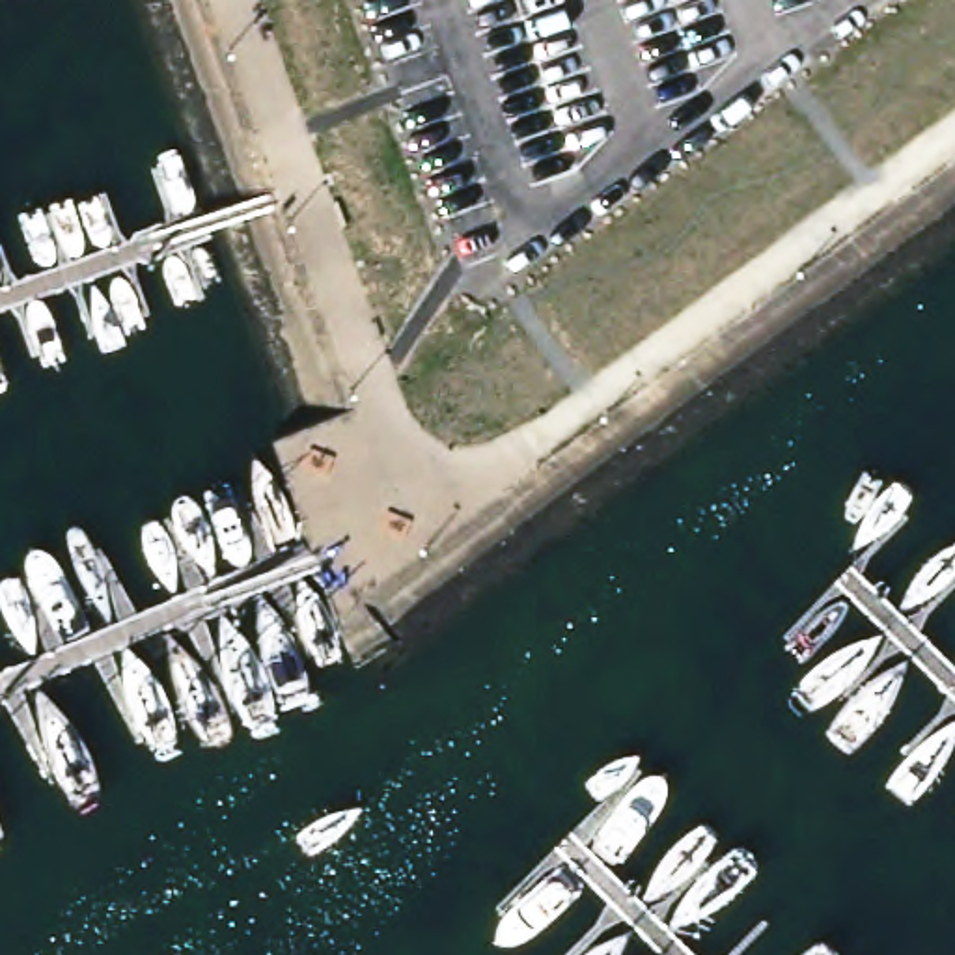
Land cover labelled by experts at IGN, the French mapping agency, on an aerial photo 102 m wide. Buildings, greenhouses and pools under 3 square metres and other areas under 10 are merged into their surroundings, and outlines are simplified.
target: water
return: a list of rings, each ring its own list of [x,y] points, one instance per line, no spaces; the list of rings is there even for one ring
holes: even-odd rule
[[[351,582],[351,567],[336,567],[328,560],[317,567],[313,556],[302,556],[310,541],[310,522],[302,519],[302,504],[276,455],[276,440],[321,425],[325,418],[317,403],[302,399],[295,373],[287,377],[272,366],[265,325],[246,298],[228,242],[228,228],[272,216],[284,205],[284,194],[269,190],[246,201],[239,183],[231,183],[228,190],[213,190],[198,160],[198,145],[179,119],[179,101],[160,67],[164,56],[145,19],[149,0],[0,0],[0,955],[955,955],[955,205],[936,220],[921,224],[918,231],[910,231],[888,254],[873,257],[839,291],[832,291],[821,302],[810,302],[776,332],[750,343],[739,358],[720,362],[705,377],[683,381],[660,407],[653,407],[642,418],[634,433],[612,440],[612,448],[586,459],[545,500],[530,504],[504,533],[485,541],[451,574],[429,586],[384,630],[381,642],[362,649],[358,660],[339,660],[339,649],[332,649],[339,616],[332,597],[343,582]]]

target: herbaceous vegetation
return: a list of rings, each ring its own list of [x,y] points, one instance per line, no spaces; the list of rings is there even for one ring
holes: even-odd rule
[[[567,351],[578,354],[593,373],[608,369],[627,351],[645,343],[686,306],[705,298],[716,284],[724,284],[754,257],[761,257],[806,216],[813,216],[821,205],[854,187],[836,153],[810,123],[810,116],[787,101],[783,90],[776,90],[768,108],[746,116],[727,134],[713,131],[705,142],[694,142],[701,149],[698,160],[686,172],[664,168],[657,179],[649,179],[653,194],[642,194],[634,209],[623,209],[623,216],[608,220],[589,213],[589,224],[578,235],[567,235],[560,242],[556,265],[541,261],[541,269],[522,269],[533,284],[541,284],[541,298],[533,302],[537,317],[545,325],[560,321],[560,328],[571,332]]]
[[[373,82],[369,56],[351,15],[358,0],[250,0],[261,34],[272,37],[280,48],[291,93],[306,119],[381,90]]]
[[[436,276],[455,261],[459,235],[451,231],[451,220],[425,220],[425,205],[410,183],[403,149],[392,134],[384,108],[373,108],[351,123],[313,134],[321,183],[332,190],[332,201],[339,205],[351,257],[362,269],[373,328],[384,343],[392,343],[422,306],[422,298],[433,291]]]
[[[847,37],[847,45],[828,67],[806,71],[813,97],[828,108],[847,145],[869,168],[892,160],[933,123],[955,123],[955,0],[892,0],[892,15]]]
[[[440,444],[470,448],[496,440],[511,429],[545,418],[552,407],[574,395],[563,381],[548,381],[548,358],[515,313],[466,313],[455,306],[448,313],[436,306],[436,313],[418,336],[418,347],[392,362],[392,373],[399,377],[399,392],[407,399],[410,418]]]

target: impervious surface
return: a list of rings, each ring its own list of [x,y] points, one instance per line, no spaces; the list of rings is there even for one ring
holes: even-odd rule
[[[179,101],[179,119],[198,145],[198,160],[213,190],[228,190],[231,183],[239,183],[246,201],[269,190],[284,194],[284,205],[272,216],[228,228],[228,242],[246,298],[265,325],[272,366],[287,377],[295,373],[302,399],[317,403],[325,418],[321,425],[276,440],[276,455],[302,504],[302,519],[310,522],[310,541],[302,556],[313,556],[317,567],[328,560],[336,567],[351,567],[351,582],[343,582],[332,597],[339,616],[332,649],[339,649],[339,660],[358,660],[362,649],[381,642],[384,630],[429,586],[451,574],[485,541],[504,533],[530,504],[545,500],[586,459],[612,448],[612,440],[634,433],[642,418],[653,407],[660,407],[683,381],[705,377],[720,362],[739,358],[750,343],[776,332],[810,302],[821,302],[832,291],[839,291],[873,257],[888,254],[910,231],[918,231],[921,224],[936,220],[955,205],[955,123],[933,123],[892,160],[869,168],[847,145],[828,108],[813,97],[806,71],[828,67],[847,45],[847,37],[892,15],[892,0],[358,0],[351,15],[369,56],[373,82],[381,90],[399,93],[395,104],[384,108],[392,134],[403,149],[410,183],[425,205],[425,220],[451,220],[451,231],[459,235],[455,261],[436,276],[433,291],[422,298],[422,306],[392,343],[384,343],[373,328],[362,269],[351,257],[339,205],[332,201],[332,190],[321,183],[313,134],[306,119],[291,93],[280,48],[272,37],[261,34],[250,0],[149,0],[145,19],[164,56],[160,67]],[[686,172],[698,160],[701,149],[694,142],[705,142],[713,131],[727,134],[746,116],[768,108],[776,90],[783,90],[787,101],[810,116],[810,123],[836,153],[854,187],[821,205],[813,216],[806,216],[761,257],[754,257],[724,284],[716,284],[705,298],[686,306],[645,343],[627,351],[608,369],[593,373],[578,354],[567,351],[571,332],[560,328],[560,321],[545,325],[537,317],[533,302],[541,298],[541,284],[533,284],[522,269],[541,269],[541,261],[556,265],[560,242],[567,235],[578,235],[589,224],[589,213],[608,220],[623,216],[623,209],[634,209],[642,194],[653,194],[649,179],[657,179],[664,168]],[[448,313],[455,306],[466,313],[515,313],[548,358],[548,381],[563,381],[574,395],[552,407],[545,418],[511,429],[496,440],[470,448],[440,444],[410,418],[407,399],[399,392],[399,377],[392,373],[392,362],[418,347],[418,336],[436,313],[436,306]]]

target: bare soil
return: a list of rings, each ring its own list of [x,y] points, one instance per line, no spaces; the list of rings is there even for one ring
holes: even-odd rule
[[[399,93],[381,90],[306,119],[313,134],[351,123],[373,108],[384,108],[395,104]]]

